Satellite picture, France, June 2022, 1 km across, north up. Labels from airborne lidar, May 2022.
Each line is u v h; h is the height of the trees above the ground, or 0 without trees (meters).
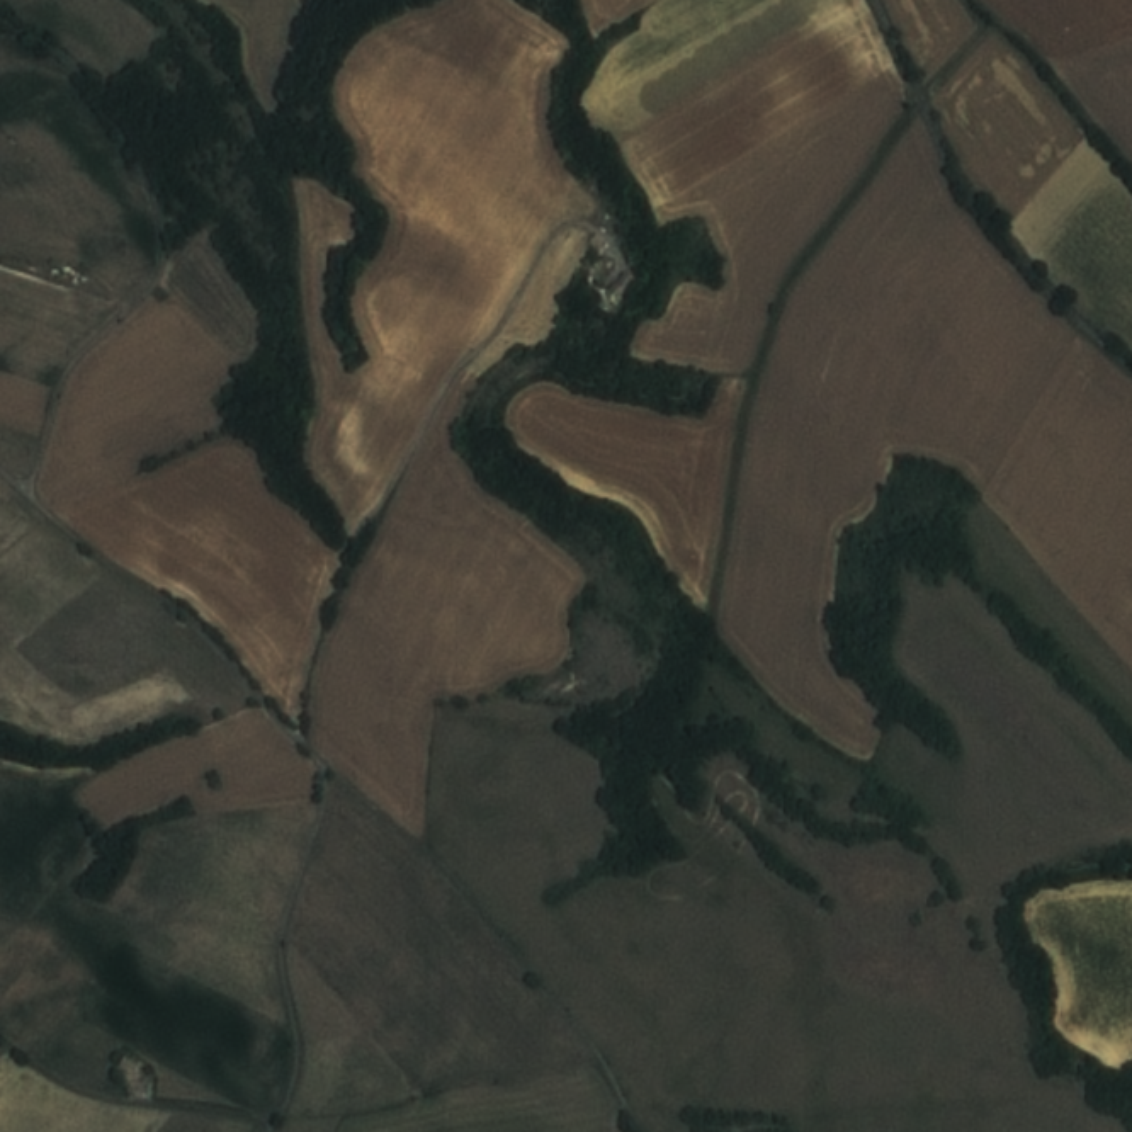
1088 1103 7
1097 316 0
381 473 0
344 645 0
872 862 0
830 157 0
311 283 0
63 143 0
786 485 0
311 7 16
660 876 0
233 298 0
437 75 0
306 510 12
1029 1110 0
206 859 0
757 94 0
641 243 16
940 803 0
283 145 19
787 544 0
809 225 0
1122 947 0
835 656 16
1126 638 0
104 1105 0
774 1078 0
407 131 0
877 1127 0
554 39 0
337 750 0
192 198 14
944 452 0
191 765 0
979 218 10
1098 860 8
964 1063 0
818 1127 0
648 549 13
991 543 0
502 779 0
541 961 0
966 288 0
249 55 0
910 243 0
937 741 18
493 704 0
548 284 0
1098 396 0
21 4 0
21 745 13
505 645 0
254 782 0
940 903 9
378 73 0
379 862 0
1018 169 0
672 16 0
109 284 0
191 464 0
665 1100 0
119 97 15
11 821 0
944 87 0
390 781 0
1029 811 0
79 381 0
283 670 0
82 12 0
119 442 0
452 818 0
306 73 10
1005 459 0
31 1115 0
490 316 0
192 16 8
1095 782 0
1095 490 0
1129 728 11
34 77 0
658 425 0
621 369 11
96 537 0
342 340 8
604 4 0
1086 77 0
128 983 0
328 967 0
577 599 6
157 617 0
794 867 12
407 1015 0
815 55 0
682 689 25
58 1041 0
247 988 0
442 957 0
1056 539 0
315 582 0
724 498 0
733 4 0
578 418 0
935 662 0
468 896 0
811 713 0
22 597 0
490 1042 0
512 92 0
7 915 0
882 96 0
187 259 0
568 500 15
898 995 0
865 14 0
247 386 18
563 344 13
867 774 8
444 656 0
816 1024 0
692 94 0
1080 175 0
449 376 0
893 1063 0
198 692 0
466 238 0
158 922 0
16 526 0
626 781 19
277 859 0
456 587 0
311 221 0
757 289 0
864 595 8
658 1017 0
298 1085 0
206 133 11
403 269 0
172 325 0
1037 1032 7
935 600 0
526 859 0
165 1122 0
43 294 0
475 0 0
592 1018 0
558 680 0
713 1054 0
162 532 0
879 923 0
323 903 0
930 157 0
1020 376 0
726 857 0
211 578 0
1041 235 0
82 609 0
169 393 0
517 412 0
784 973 0
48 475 0
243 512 0
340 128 9
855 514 0
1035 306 0
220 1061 0
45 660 0
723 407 0
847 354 0
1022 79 0
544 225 0
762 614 0
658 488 0
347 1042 0
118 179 0
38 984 0
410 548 0
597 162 18
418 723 0
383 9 14
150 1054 0
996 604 13
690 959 0
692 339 0
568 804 0
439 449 0
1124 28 0
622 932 0
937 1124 0
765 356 0
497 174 0
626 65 0
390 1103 0
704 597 0
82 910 0
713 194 0
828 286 0
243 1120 0
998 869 0
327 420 0
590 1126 0
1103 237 0
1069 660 7
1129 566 0
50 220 0
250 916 0
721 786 0
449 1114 0
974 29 0
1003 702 0
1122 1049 0
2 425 0
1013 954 11
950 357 0
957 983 0
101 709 0
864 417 0
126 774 0
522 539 0
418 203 0
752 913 0
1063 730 0
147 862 0
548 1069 0
